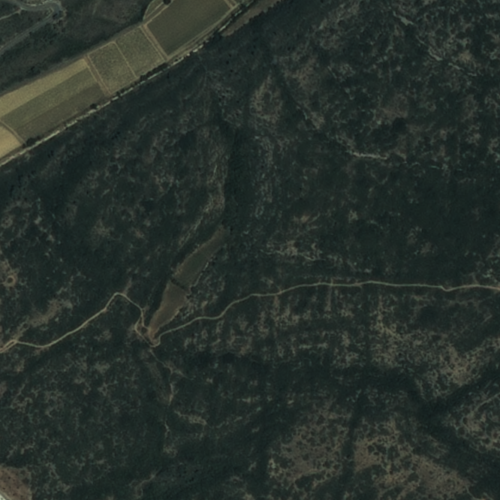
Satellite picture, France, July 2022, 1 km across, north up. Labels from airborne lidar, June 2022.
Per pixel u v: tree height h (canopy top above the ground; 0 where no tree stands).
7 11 0
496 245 0
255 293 0
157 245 0
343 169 0
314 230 0
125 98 0
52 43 13
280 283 0
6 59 11
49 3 0
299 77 0
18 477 0
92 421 0
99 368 0
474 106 0
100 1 0
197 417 0
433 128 0
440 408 6
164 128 0
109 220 0
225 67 0
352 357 0
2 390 0
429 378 0
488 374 6
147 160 0
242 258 0
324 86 0
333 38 0
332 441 0
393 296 0
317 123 0
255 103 0
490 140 0
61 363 0
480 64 0
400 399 0
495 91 0
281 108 0
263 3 0
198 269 0
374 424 0
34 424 0
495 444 0
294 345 0
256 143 0
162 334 0
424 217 0
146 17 0
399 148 0
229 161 9
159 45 0
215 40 8
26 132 0
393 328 0
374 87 0
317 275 0
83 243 6
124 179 0
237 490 0
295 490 0
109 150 7
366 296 0
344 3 0
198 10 0
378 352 0
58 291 0
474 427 0
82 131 0
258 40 7
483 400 0
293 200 0
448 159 0
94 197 0
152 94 0
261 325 0
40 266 0
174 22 0
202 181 0
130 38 0
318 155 0
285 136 0
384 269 0
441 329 0
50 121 0
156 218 0
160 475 10
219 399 0
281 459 0
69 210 7
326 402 0
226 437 0
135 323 0
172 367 0
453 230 0
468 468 0
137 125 0
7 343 0
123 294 0
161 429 5
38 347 0
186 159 0
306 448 0
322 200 0
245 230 0
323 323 0
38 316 0
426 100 0
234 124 0
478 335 0
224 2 0
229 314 0
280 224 0
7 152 0
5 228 0
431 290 0
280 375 0
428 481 0
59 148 0
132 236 0
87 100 0
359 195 0
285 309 0
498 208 0
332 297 0
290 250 0
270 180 0
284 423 0
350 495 0
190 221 0
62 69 0
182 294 0
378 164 0
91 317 0
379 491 0
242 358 5
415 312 0
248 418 0
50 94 0
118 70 0
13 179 0
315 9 0
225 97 7
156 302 6
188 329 0
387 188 0
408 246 0
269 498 0
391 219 6
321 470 0
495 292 0
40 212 0
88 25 0
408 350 0
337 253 0
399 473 0
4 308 0
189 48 0
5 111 0
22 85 0
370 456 0
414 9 0
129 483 0
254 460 0
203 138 0
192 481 10
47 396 0
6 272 0
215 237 0
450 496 0
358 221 5
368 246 0
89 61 0
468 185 0
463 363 0
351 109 0
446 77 0
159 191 0
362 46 6
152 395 6
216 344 0
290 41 0
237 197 7
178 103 0
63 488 0
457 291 0
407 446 0
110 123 0
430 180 0
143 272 0
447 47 0
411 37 6
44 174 0
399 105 0
